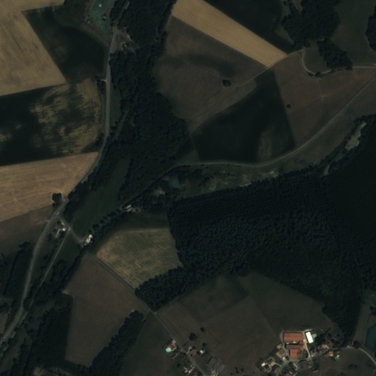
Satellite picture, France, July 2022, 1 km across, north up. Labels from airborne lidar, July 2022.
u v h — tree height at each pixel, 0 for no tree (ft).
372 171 26
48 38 0
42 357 33
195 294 0
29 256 62
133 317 68
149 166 73
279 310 0
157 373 0
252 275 0
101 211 0
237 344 0
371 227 27
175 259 0
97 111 0
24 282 30
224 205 102
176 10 0
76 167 0
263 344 0
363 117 31
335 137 0
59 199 72
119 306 0
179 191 59
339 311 33
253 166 0
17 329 57
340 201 34
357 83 0
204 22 0
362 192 28
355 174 29
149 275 0
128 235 0
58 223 45
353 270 89
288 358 40
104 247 0
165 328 0
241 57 0
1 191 0
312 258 50
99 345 0
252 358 0
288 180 88
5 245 0
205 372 0
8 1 0
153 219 0
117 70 61
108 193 0
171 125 67
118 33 0
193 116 0
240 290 0
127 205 31
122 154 84
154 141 73
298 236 36
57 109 0
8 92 0
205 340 0
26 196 0
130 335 72
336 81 0
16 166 0
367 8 0
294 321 0
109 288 0
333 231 97
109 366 69
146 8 65
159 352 0
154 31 62
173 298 66
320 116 0
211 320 0
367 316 0
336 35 0
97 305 0
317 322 0
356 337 0
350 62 60
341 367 0
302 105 0
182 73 0
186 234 42
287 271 43
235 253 93
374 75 0
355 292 49
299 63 0
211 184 0
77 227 0
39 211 0
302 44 56
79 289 0
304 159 0
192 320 0
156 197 42
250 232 105
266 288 0
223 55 0
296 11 56
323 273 36
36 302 30
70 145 0
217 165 0
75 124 0
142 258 0
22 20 0
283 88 0
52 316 41
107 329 0
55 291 41
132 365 0
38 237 0
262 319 0
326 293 30
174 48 0
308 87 0
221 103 0
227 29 0
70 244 0
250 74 0
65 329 24
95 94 0
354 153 37
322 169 28
